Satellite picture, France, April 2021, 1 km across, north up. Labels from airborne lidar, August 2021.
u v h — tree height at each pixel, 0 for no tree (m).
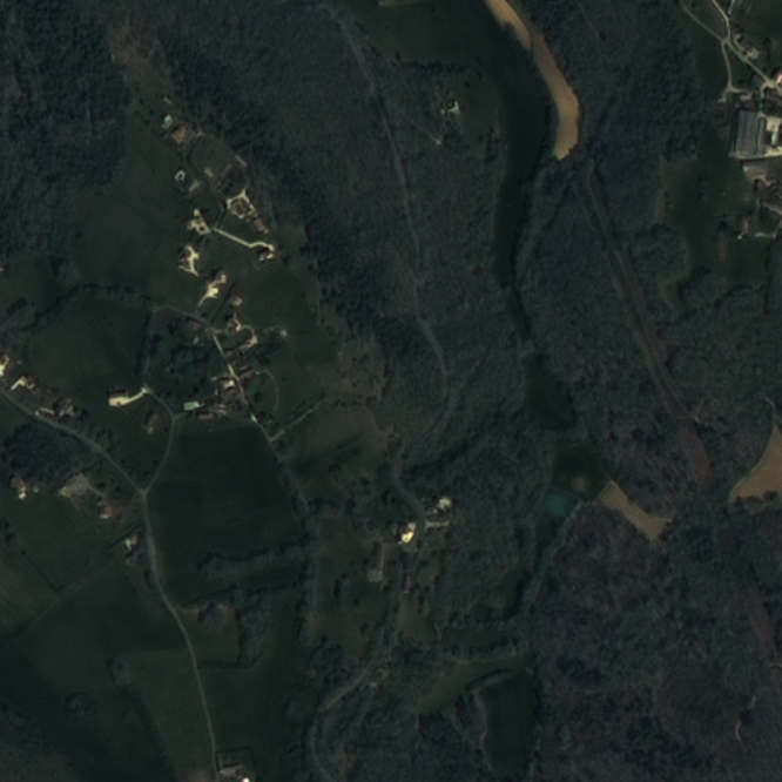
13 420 0
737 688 15
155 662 0
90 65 12
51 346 0
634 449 15
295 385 0
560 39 22
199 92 14
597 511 19
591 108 20
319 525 13
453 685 0
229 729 0
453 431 23
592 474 0
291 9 17
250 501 0
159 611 0
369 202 19
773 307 19
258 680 0
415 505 0
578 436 17
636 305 0
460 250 17
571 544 24
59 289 0
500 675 10
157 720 0
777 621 18
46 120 19
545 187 7
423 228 20
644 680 17
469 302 16
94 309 0
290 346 0
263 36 19
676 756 22
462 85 0
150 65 10
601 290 18
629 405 17
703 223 0
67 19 12
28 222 16
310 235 19
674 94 18
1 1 20
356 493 16
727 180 0
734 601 14
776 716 14
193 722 0
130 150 0
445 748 18
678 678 6
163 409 0
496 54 0
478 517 16
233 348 17
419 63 0
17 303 0
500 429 17
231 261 0
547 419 0
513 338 18
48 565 0
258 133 19
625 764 14
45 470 17
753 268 0
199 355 14
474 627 15
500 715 0
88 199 0
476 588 25
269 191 11
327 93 13
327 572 0
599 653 14
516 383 19
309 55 14
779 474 0
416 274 20
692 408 10
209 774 0
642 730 10
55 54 12
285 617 0
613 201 15
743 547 14
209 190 0
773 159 0
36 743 9
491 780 22
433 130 18
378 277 21
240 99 21
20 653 0
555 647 16
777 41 0
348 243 19
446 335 14
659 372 0
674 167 14
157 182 0
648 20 12
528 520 19
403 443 13
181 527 0
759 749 13
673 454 15
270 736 0
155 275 0
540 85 5
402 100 18
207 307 0
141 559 14
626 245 20
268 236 0
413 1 0
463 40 0
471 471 24
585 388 14
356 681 17
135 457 0
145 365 14
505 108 0
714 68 0
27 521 0
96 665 0
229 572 18
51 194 11
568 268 15
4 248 13
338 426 0
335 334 13
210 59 22
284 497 0
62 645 0
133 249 0
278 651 0
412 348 22
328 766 22
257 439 0
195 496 0
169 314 0
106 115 10
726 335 17
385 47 0
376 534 19
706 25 0
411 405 15
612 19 12
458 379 22
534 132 0
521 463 26
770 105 6
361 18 0
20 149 22
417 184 16
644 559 6
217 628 18
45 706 0
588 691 24
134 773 0
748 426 21
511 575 6
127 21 12
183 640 0
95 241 0
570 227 15
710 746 8
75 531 0
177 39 16
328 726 19
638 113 14
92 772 0
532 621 16
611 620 16
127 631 0
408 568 16
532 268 15
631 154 20
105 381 0
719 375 16
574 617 7
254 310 0
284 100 16
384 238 15
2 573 0
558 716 19
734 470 22
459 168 17
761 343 19
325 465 0
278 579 0
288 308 0
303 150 14
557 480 0
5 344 13
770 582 13
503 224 0
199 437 0
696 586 16
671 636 9
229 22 22
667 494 15
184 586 0
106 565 0
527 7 11
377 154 18
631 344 19
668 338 15
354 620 0
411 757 14
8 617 0
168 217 0
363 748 16
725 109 0
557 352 13
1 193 17
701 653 24
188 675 0
